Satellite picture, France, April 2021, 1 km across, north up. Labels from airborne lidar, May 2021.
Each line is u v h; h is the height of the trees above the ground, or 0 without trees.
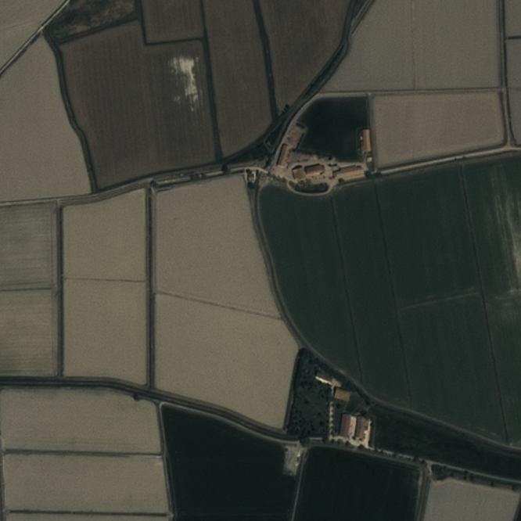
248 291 0
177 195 0
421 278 0
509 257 0
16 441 0
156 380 0
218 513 0
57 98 0
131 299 0
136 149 0
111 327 0
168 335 0
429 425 6
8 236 0
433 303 0
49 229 0
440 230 0
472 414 0
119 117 0
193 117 0
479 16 0
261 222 0
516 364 0
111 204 0
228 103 0
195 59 0
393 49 0
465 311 0
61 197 0
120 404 0
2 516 0
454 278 0
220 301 0
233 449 0
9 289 0
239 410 0
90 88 0
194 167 0
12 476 0
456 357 0
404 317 0
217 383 0
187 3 0
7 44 0
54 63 0
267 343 0
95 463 0
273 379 0
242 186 0
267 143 6
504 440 0
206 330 0
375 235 0
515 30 0
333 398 9
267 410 0
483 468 0
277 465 0
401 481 0
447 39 0
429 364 0
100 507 0
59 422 0
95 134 0
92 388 0
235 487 0
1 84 0
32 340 0
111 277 0
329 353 0
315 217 0
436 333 0
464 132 0
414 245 0
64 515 0
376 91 0
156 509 0
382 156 0
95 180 0
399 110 0
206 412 0
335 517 0
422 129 0
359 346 0
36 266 0
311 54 0
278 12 0
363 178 0
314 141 0
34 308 0
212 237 0
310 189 15
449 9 0
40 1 0
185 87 0
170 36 0
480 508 0
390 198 0
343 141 0
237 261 0
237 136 0
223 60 0
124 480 0
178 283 0
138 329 0
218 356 0
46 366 0
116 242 0
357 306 0
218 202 0
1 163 0
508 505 0
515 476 0
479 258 0
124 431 0
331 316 0
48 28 0
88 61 0
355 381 0
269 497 0
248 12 0
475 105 0
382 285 0
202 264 0
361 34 0
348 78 0
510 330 0
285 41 0
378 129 0
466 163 0
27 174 0
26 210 0
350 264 0
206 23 0
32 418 0
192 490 0
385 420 0
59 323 0
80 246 0
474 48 0
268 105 0
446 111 0
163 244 0
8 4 0
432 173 0
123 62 0
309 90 0
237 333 0
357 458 0
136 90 0
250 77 0
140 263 0
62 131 0
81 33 0
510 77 0
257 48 0
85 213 0
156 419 0
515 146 0
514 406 0
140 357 0
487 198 0
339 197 0
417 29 0
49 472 0
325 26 0
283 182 10
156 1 0
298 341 0
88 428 0
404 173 0
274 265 0
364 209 0
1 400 0
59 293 0
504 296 0
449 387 0
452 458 0
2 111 0
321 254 0
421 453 0
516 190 0
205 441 0
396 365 0
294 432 7
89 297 0
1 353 0
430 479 0
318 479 0
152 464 0
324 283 0
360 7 0
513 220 0
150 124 0
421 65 0
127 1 0
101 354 0
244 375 0
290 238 0
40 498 0
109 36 0
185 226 0
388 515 0
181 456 0
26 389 0
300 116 0
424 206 0
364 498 0
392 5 0
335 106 0
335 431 7
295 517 0
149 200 0
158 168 0
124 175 0
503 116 0
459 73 0
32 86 0
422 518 0
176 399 0
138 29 0
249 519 0
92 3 0
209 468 0
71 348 0
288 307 0
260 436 0
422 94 0
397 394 0
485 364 0
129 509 0
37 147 0
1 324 0
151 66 0
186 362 0
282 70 0
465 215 0
